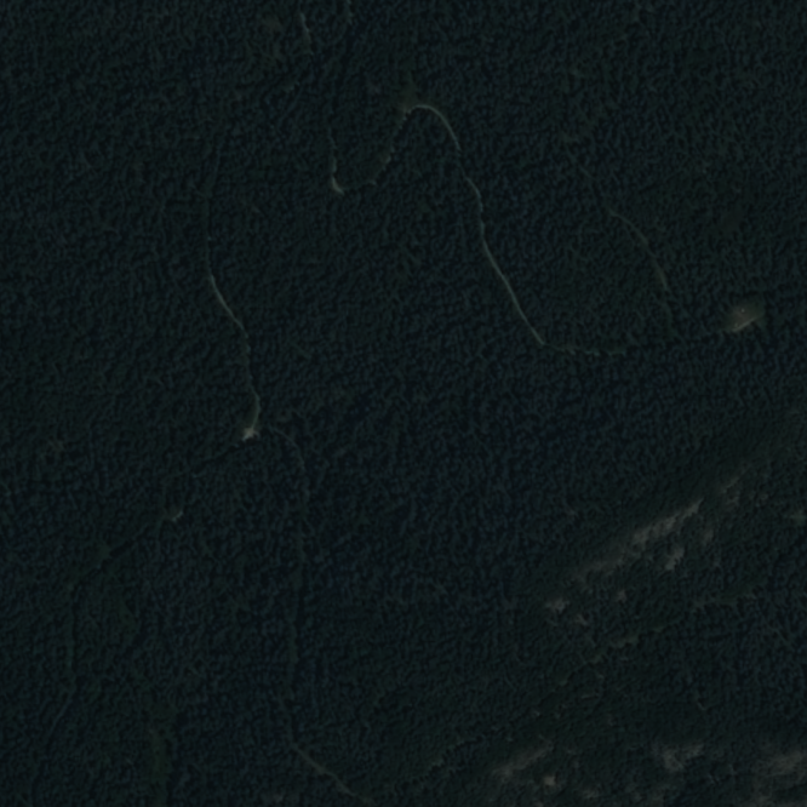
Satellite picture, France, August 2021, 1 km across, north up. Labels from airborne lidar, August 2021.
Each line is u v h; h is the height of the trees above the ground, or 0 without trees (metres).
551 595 12
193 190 10
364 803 12
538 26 20
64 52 25
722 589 30
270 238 27
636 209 18
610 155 21
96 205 30
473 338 22
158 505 23
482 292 22
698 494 10
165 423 29
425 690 22
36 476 25
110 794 21
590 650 9
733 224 0
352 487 12
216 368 20
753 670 26
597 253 17
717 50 18
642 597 7
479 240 17
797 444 16
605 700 18
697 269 17
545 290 18
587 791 8
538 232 8
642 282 15
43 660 20
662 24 22
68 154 17
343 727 20
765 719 15
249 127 22
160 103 15
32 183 23
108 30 9
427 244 9
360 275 23
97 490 31
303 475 29
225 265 24
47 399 26
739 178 9
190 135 13
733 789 23
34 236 21
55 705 25
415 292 15
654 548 13
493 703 20
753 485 16
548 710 16
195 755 17
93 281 27
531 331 16
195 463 18
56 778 20
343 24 26
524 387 22
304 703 6
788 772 11
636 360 21
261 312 30
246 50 20
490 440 21
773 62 23
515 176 7
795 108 19
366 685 12
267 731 20
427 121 21
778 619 10
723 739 18
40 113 19
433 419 22
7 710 16
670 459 7
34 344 22
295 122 24
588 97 15
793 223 9
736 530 16
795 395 14
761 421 12
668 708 22
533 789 10
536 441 26
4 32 35
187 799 13
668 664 26
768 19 18
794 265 18
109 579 25
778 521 20
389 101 22
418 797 10
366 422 22
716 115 20
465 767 18
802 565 21
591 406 27
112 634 28
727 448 11
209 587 8
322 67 26
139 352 20
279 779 19
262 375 30
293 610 15
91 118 20
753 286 13
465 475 25
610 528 13
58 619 24
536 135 22
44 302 20
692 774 21
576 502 22
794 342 13
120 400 22
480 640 13
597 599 16
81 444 20
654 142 21
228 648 13
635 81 19
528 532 13
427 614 18
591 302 21
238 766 10
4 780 14
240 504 27
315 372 29
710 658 11
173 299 26
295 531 24
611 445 20
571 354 13
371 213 24
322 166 12
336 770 14
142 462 30
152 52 9
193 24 27
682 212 15
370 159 7
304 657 11
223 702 24
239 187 21
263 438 6
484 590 6
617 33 19
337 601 16
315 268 21
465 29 27
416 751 13
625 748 26
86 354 29
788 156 25
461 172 16
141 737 23
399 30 24
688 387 20
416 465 23
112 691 26
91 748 15
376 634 15
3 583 20
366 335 22
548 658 10
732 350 7
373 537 13
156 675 20
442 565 24
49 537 19
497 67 24
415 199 24
